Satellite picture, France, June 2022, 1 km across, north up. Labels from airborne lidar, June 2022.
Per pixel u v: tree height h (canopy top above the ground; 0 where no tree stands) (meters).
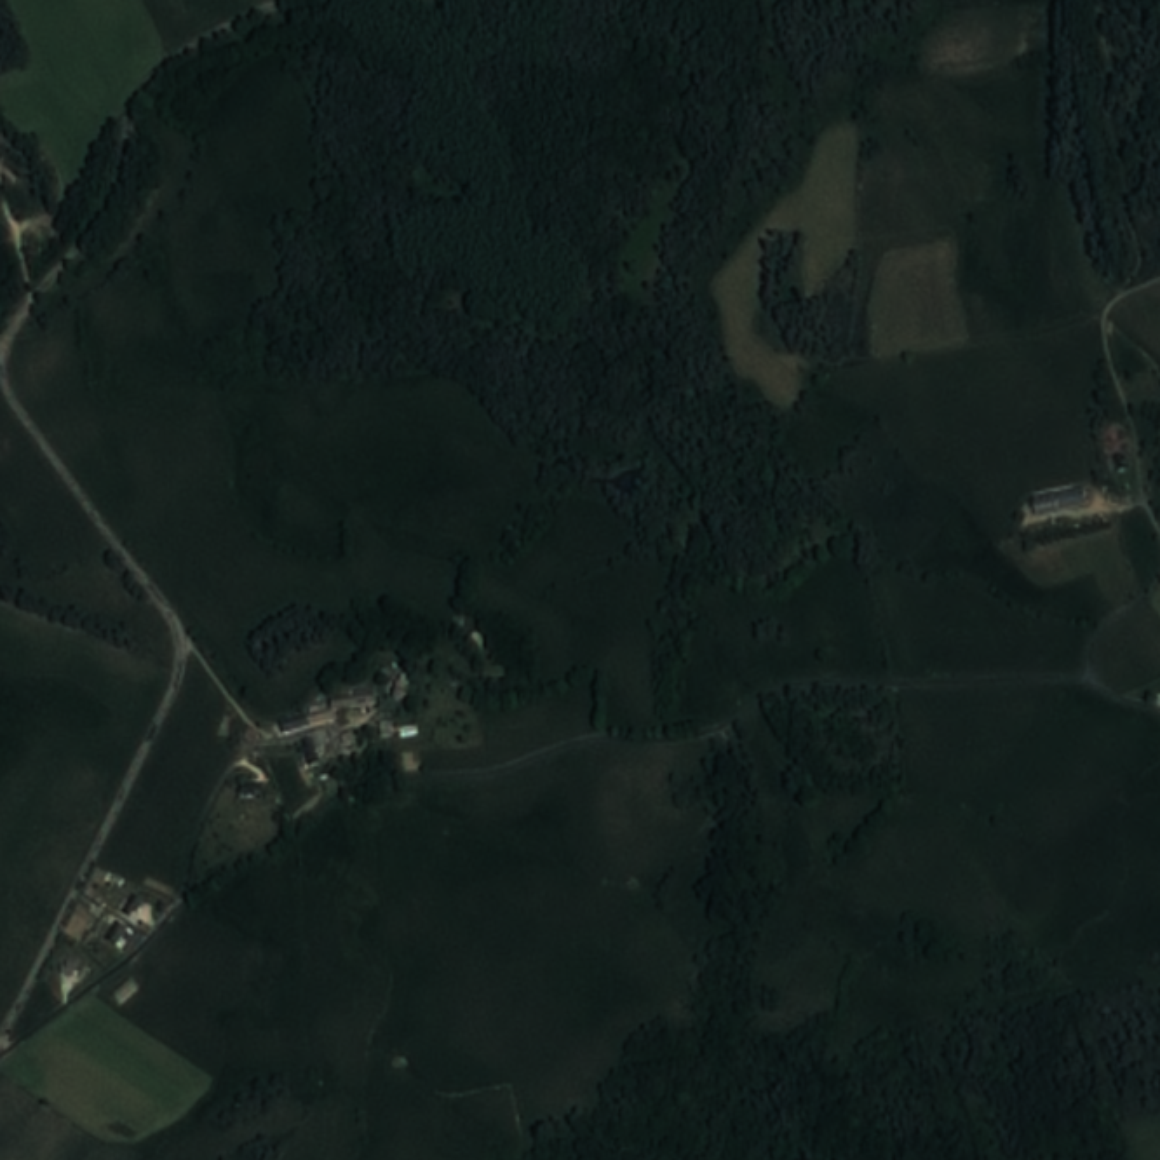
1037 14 0
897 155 0
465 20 28
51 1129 0
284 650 17
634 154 19
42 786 0
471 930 0
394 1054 0
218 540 0
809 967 0
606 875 0
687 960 0
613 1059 0
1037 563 0
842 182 0
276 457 0
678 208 11
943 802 0
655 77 17
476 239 27
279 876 0
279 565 0
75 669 0
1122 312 0
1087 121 31
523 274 30
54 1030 0
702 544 20
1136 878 0
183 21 0
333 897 0
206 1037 0
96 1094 0
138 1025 0
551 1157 13
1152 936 0
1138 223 9
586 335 12
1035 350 0
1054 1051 17
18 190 0
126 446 0
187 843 0
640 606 0
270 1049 0
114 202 20
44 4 0
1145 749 0
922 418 0
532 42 31
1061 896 0
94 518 0
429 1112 0
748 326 0
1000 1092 18
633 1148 8
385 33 31
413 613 8
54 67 0
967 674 0
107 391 0
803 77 8
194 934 0
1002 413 0
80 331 7
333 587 0
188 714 0
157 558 0
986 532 0
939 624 0
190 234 0
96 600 0
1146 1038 17
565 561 0
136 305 0
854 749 12
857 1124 13
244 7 0
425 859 0
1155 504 8
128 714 0
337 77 16
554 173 19
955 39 0
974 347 0
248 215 0
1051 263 0
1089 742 0
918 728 0
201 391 0
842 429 0
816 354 13
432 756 0
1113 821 0
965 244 0
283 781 0
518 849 0
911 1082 12
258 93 0
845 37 12
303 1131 0
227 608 0
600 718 14
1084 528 8
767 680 0
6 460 0
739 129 18
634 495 13
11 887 0
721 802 19
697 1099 11
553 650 0
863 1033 0
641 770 0
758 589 18
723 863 20
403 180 14
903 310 0
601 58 21
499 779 0
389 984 0
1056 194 0
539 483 11
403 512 0
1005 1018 13
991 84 0
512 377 17
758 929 6
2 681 0
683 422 17
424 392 0
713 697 0
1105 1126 9
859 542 15
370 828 0
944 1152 17
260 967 0
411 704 16
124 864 0
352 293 14
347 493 0
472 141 30
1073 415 0
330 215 13
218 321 0
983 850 0
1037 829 0
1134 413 11
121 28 0
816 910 0
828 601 0
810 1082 16
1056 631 0
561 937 0
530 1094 0
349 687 18
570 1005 0
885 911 0
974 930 0
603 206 20
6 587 11
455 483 0
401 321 18
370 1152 0
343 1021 0
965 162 0
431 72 27
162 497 0
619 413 15
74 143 0
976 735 0
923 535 0
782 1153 8
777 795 0
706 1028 6
